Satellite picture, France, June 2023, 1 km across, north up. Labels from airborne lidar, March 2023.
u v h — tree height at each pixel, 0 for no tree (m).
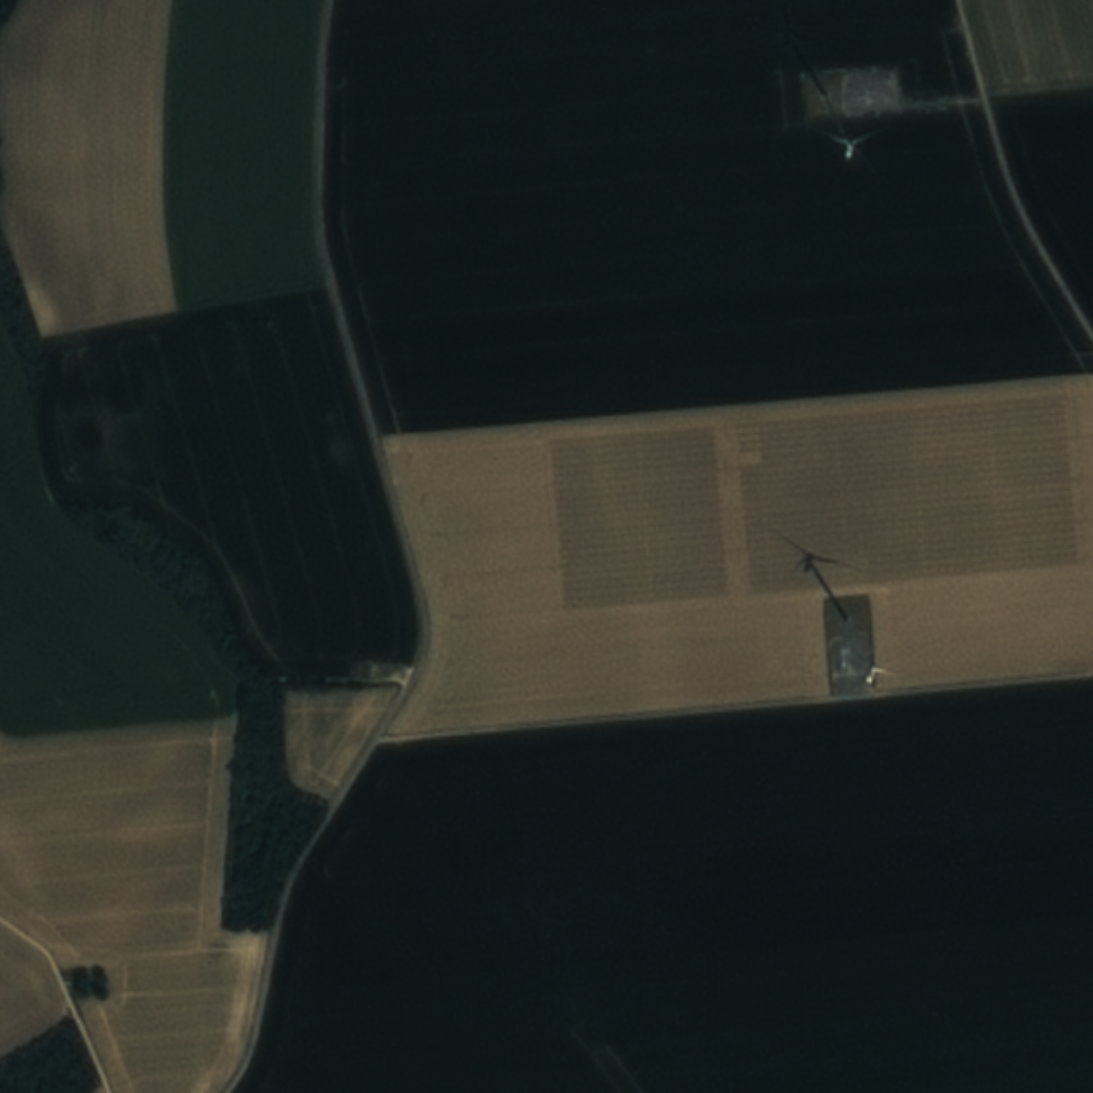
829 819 0
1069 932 0
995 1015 0
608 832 0
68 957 0
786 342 0
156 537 7
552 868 0
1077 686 0
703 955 0
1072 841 0
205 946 0
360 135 0
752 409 0
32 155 0
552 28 0
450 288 0
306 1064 0
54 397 0
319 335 0
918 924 0
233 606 0
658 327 0
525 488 0
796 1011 0
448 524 0
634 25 0
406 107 0
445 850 0
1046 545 0
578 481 0
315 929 0
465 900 0
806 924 0
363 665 0
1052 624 0
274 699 13
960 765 0
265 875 13
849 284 0
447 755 0
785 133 0
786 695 0
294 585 0
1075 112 0
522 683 0
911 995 0
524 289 0
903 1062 0
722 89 0
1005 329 0
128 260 0
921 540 0
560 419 0
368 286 0
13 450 0
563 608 0
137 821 0
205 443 0
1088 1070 0
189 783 0
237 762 6
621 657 0
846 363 0
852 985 0
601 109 0
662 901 0
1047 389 0
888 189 0
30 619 0
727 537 0
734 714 0
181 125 0
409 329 0
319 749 0
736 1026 0
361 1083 0
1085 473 0
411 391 0
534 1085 0
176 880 0
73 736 0
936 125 0
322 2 0
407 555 0
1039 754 0
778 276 0
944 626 0
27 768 0
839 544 0
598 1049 0
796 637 0
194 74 0
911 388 0
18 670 0
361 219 0
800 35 0
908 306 0
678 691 0
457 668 0
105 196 0
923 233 0
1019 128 0
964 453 0
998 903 0
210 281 0
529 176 0
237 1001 0
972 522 0
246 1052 0
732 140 0
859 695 0
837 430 0
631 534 0
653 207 0
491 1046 0
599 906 0
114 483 0
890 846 0
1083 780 0
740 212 0
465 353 0
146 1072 0
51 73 0
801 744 0
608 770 0
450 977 0
